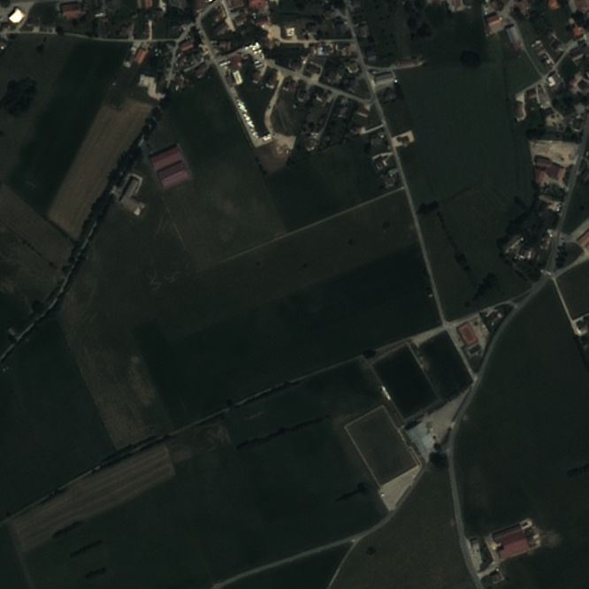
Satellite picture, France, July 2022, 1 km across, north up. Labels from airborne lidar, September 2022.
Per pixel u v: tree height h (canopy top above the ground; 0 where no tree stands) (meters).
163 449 0
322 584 0
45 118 0
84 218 0
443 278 0
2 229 0
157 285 0
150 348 0
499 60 0
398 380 0
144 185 0
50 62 0
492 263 0
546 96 0
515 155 0
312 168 0
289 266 0
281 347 0
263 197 0
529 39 0
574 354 0
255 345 0
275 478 0
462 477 0
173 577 0
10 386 0
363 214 0
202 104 0
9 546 0
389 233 0
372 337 0
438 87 0
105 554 0
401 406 0
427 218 0
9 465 0
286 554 0
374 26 0
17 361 0
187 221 0
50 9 0
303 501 0
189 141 0
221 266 0
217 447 0
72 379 0
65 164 0
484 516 0
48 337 0
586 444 0
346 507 0
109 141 0
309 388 0
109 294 0
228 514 0
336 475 0
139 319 0
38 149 0
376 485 0
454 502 0
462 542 0
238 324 0
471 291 0
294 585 0
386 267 0
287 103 0
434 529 0
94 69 0
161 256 0
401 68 0
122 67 0
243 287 0
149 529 0
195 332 0
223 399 0
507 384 0
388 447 0
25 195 0
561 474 0
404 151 0
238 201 0
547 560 0
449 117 0
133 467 0
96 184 0
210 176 0
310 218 0
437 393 0
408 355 0
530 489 0
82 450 0
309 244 0
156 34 0
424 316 0
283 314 0
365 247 0
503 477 0
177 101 0
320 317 0
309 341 0
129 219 0
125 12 0
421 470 0
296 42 0
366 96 0
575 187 0
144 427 0
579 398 0
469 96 0
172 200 0
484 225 0
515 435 0
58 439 0
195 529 0
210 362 0
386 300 0
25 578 0
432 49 0
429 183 0
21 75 0
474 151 0
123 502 0
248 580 0
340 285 0
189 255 0
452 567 0
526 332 0
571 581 0
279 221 0
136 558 0
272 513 0
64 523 0
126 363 0
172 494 0
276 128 0
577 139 16
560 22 0
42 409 0
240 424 0
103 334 0
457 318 0
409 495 0
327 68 6
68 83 0
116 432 0
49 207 0
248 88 0
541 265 8
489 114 0
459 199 0
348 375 0
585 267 0
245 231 0
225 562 0
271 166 0
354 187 0
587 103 11
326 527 0
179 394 0
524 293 0
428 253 0
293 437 0
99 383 0
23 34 0
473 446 0
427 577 0
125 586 0
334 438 0
